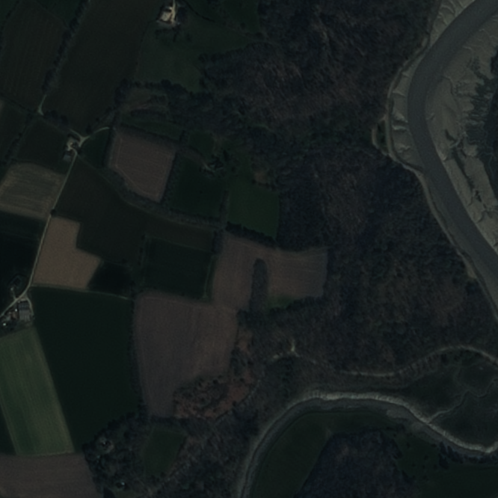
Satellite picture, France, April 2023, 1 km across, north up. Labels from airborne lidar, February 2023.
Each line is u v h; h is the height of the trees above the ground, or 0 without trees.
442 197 0
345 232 22
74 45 0
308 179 25
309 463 0
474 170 0
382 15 20
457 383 0
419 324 28
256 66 19
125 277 0
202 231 0
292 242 18
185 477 21
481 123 0
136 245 0
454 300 19
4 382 0
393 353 15
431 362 17
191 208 0
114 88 0
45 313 0
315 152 21
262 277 18
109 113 13
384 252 22
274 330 24
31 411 0
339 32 23
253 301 17
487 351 11
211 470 12
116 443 17
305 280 0
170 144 12
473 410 0
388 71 19
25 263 0
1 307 0
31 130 0
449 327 22
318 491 20
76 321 0
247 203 0
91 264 0
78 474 0
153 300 0
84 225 0
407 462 0
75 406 0
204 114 23
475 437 0
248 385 8
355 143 24
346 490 16
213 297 0
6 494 0
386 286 18
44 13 0
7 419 0
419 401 0
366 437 14
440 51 0
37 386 0
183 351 0
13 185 0
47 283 0
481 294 16
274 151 27
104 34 0
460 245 0
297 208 23
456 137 0
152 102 12
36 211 0
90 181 0
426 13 20
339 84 24
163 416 0
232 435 24
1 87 0
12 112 0
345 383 14
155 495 17
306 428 0
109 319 0
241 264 0
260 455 0
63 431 0
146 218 0
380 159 22
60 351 0
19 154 0
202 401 10
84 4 20
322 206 19
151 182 0
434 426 0
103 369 0
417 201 10
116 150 0
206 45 0
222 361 0
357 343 17
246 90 20
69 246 0
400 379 18
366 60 22
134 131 13
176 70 0
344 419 0
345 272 19
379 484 22
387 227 16
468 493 0
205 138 0
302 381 18
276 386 19
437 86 0
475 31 0
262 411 11
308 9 22
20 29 0
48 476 0
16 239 0
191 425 15
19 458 0
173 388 0
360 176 22
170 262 0
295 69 20
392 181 21
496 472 0
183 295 9
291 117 23
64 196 0
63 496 0
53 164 0
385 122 0
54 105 0
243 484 0
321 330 27
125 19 0
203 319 0
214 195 0
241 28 10
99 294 0
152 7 0
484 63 0
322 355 25
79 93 0
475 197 0
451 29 0
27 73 0
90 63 0
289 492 0
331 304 21
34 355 0
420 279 25
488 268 0
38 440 0
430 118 0
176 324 0
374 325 18
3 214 0
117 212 0
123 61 0
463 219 0
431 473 0
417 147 0
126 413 0
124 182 10
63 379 0
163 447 0
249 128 8
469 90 0
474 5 0
